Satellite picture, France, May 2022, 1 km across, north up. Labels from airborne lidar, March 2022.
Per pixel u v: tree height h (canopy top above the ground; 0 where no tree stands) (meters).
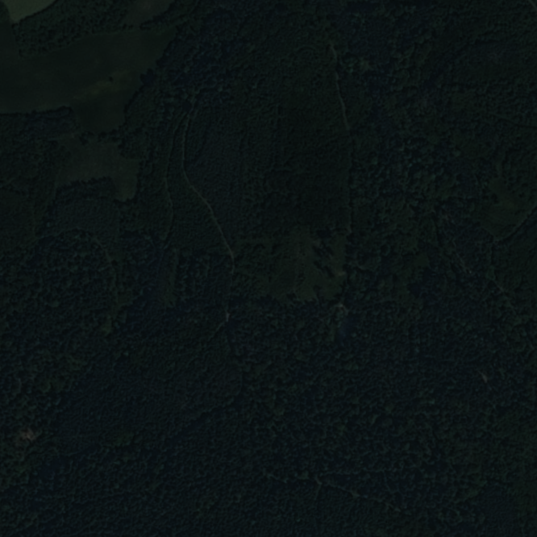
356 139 16
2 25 0
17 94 0
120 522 24
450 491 31
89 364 24
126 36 0
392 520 12
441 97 23
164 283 31
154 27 9
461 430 35
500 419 25
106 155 0
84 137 16
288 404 34
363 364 30
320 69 11
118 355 18
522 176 8
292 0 12
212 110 13
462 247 28
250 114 10
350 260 16
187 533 28
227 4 35
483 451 22
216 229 9
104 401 26
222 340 11
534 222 7
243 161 14
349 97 15
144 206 18
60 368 26
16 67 0
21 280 26
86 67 0
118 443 17
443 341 35
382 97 30
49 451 15
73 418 30
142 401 23
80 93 0
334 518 17
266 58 12
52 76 0
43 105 0
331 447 34
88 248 16
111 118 0
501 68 12
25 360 37
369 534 12
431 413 29
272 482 16
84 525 30
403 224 36
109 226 22
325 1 20
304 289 0
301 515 13
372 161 27
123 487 32
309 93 9
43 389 34
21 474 29
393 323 24
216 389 18
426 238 21
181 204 8
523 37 8
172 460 30
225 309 17
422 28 18
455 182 24
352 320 19
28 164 20
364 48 34
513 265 13
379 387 30
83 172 0
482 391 35
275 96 14
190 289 28
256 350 29
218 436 33
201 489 28
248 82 14
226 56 34
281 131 18
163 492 26
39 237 12
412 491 13
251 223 10
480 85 14
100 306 26
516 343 9
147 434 19
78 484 32
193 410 11
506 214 0
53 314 26
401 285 34
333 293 0
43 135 22
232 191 16
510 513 26
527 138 16
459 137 15
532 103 22
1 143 14
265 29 20
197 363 14
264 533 24
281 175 18
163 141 17
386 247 24
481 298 35
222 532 26
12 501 32
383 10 26
